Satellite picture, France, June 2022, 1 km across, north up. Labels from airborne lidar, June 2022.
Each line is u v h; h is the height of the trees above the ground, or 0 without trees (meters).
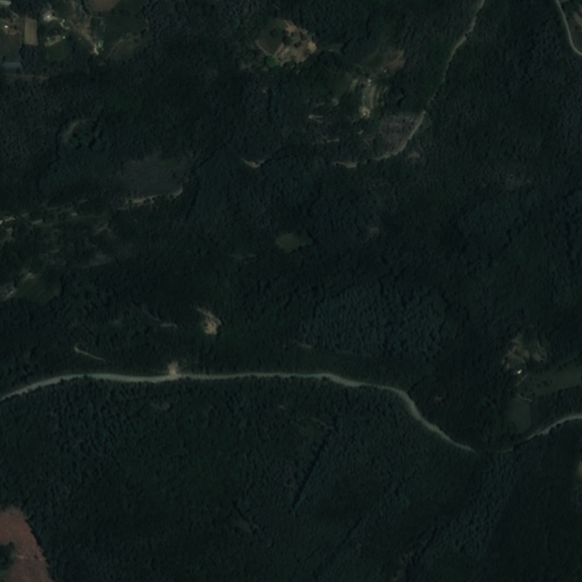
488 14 22
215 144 23
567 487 19
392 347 27
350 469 28
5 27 0
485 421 10
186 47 11
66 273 21
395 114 12
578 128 17
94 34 0
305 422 9
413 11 16
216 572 19
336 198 24
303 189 39
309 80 15
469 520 32
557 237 11
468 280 12
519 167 19
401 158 15
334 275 28
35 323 18
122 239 10
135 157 23
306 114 31
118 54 0
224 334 20
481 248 29
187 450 13
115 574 22
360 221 18
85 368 9
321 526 19
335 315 28
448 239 10
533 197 42
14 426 20
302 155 17
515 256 23
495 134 20
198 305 22
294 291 28
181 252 19
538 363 12
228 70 18
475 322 21
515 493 26
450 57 14
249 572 19
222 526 19
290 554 19
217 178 32
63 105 14
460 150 25
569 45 7
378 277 23
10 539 0
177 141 16
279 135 14
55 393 22
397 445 19
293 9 24
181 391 8
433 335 28
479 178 23
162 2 7
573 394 15
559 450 21
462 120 26
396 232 29
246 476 15
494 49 20
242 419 20
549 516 21
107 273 21
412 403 12
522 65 25
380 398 32
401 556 21
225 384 22
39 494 17
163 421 16
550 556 18
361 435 27
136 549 18
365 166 11
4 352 17
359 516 20
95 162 33
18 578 0
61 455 11
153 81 18
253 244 22
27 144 14
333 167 18
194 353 9
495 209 42
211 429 14
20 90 6
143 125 17
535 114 27
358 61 28
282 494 17
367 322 29
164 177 0
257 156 15
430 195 21
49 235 7
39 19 10
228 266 21
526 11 28
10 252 20
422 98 21
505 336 6
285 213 22
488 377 15
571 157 23
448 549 35
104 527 17
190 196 18
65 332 23
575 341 17
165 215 14
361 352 27
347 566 24
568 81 15
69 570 21
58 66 10
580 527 19
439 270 31
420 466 20
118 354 9
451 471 20
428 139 8
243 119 20
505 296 16
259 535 25
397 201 14
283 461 14
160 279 25
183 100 18
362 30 16
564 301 28
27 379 7
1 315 25
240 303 16
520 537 27
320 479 34
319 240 38
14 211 9
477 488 22
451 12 20
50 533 19
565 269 9
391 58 0
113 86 13
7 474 22
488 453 14
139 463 16
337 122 13
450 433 23
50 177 33
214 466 19
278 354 20
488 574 30
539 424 7
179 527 16
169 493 16
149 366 8
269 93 9
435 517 23
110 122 16
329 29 20
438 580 21
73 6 0
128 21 0
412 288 26
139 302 27
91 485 11
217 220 40
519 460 19
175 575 15
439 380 15
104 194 12
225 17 17
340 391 14
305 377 0
